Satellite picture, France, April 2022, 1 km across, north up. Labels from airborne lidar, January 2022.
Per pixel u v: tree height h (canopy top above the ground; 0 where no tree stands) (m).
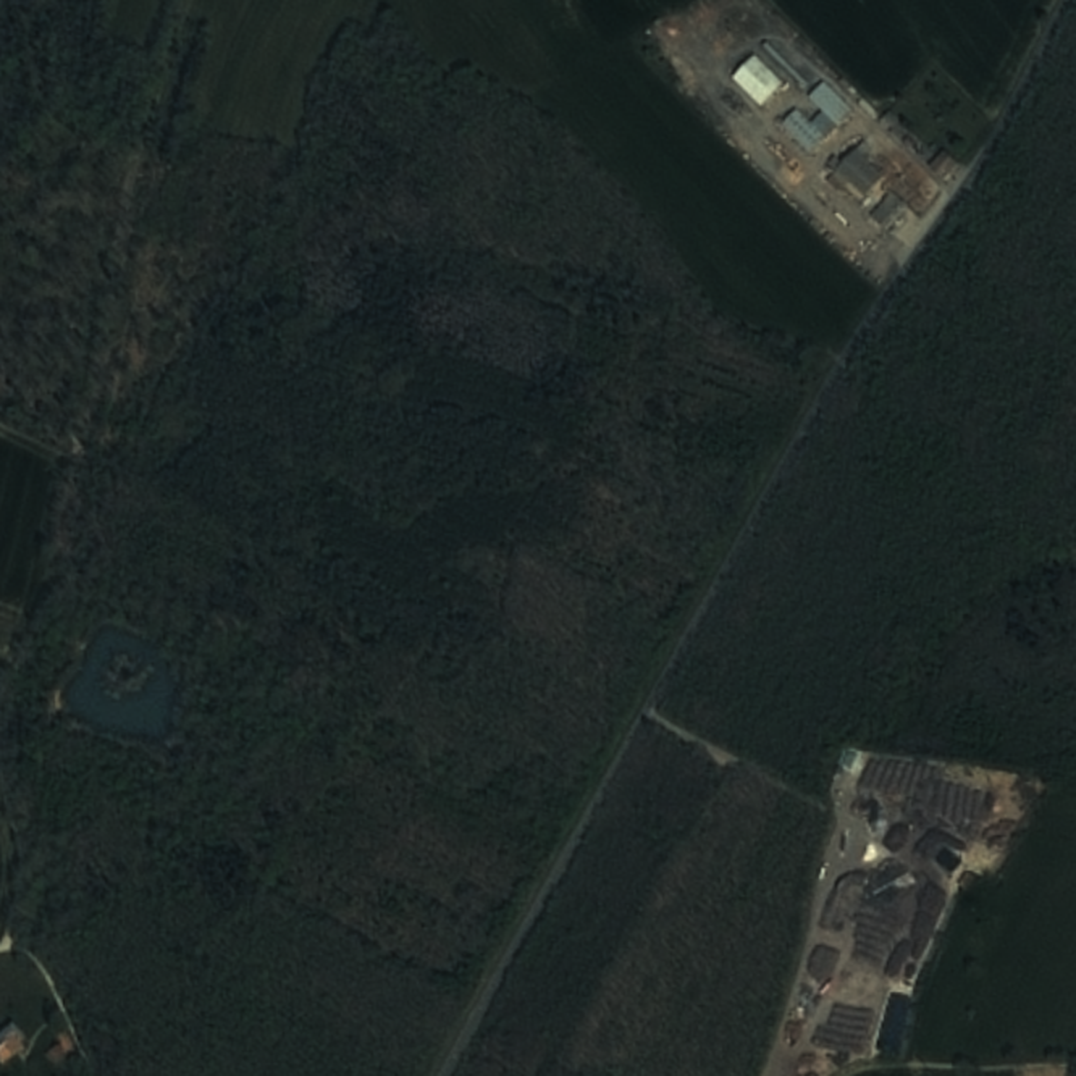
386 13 13
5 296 26
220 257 12
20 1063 0
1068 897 0
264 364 21
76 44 22
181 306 9
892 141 0
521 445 20
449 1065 0
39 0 25
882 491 16
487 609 8
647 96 0
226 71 0
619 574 6
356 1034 19
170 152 17
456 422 17
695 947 0
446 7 0
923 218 0
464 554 17
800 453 12
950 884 0
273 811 23
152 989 22
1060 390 20
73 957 22
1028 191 19
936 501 19
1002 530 19
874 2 0
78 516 16
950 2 0
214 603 20
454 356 17
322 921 9
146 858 22
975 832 0
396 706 22
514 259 16
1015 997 0
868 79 0
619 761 0
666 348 7
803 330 0
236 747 28
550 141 18
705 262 0
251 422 19
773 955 0
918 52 0
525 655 22
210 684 16
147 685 0
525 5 0
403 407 8
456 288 18
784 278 0
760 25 0
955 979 0
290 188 25
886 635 19
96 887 22
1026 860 0
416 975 23
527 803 16
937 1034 0
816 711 18
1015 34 0
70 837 24
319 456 16
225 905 21
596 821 11
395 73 19
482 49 0
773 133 0
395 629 21
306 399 21
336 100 22
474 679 20
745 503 18
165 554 23
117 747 8
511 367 14
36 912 25
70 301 29
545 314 19
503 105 22
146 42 0
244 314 25
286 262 19
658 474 18
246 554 19
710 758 13
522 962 13
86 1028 18
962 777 0
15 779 20
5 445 0
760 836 0
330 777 17
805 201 0
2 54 21
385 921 7
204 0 0
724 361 8
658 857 16
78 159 6
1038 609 8
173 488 19
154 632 22
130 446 7
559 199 19
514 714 24
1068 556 7
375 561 11
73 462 7
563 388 16
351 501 10
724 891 0
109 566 23
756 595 19
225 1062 23
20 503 0
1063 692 9
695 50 0
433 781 14
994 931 0
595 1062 0
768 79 0
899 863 0
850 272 0
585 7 0
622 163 0
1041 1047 0
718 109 0
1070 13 14
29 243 23
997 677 6
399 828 7
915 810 0
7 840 0
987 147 0
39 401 28
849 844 0
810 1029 0
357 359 22
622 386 10
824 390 0
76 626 25
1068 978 0
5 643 0
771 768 16
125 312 31
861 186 0
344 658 27
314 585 20
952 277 18
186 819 14
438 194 17
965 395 21
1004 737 9
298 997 19
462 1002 16
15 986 0
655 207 0
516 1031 13
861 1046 0
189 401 20
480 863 8
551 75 0
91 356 27
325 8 0
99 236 30
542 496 9
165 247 7
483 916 11
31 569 0
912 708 7
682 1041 0
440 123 22
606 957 13
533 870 7
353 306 19
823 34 0
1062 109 18
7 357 30
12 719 19
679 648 0
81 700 0
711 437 9
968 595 12
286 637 21
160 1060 22
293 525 18
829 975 0
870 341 15
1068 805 0
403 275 18
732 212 0
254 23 0
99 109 19
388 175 23
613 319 26
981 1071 18
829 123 0
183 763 25
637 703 19
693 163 0
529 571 18
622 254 21
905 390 19
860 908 0
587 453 8
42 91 9
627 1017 0
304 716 24
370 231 23
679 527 17
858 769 0
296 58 0
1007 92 0
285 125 0
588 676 18
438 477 22
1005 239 18
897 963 0
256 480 18
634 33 0
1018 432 19
